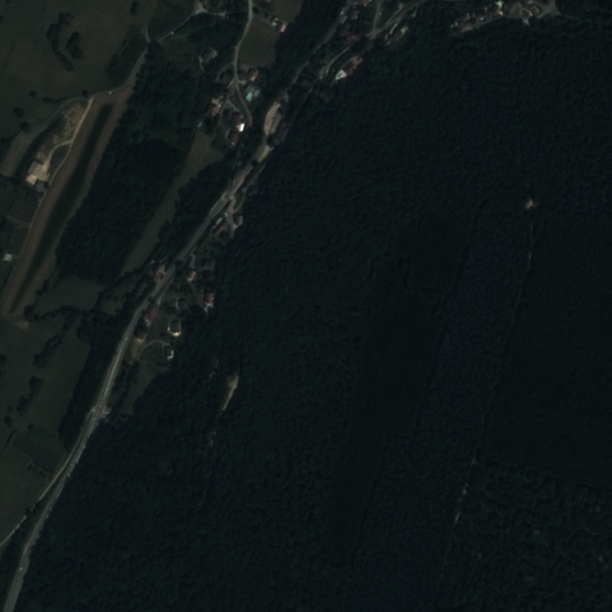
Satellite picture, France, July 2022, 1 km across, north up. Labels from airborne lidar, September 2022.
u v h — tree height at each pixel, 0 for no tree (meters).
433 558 22
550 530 26
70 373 0
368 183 15
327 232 20
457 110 18
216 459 8
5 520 0
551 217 18
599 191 17
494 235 17
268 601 19
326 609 20
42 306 0
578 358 14
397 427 7
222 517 22
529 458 17
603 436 14
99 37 0
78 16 0
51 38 10
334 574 18
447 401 24
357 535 7
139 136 12
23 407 15
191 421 15
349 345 21
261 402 17
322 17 17
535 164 18
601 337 17
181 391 19
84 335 16
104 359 10
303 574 23
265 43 0
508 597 25
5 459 0
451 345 18
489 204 23
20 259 0
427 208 17
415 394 8
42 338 0
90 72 0
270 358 17
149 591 29
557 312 14
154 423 21
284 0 0
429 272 8
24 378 0
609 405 13
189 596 27
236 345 15
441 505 17
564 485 26
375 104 13
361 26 7
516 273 21
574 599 25
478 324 18
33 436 0
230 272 19
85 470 21
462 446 22
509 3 8
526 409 15
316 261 21
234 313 15
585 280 16
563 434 11
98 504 25
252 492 19
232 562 15
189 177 0
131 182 20
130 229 15
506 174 24
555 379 15
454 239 8
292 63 19
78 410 16
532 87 16
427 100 11
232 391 0
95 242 31
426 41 20
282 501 23
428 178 21
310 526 25
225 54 15
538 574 23
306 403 21
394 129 11
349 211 23
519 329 15
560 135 20
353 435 9
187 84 19
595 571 25
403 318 8
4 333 0
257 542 18
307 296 17
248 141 19
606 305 19
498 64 25
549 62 21
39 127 0
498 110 19
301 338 14
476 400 25
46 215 0
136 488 24
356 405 9
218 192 11
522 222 20
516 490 23
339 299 19
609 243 18
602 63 18
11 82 0
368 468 6
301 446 18
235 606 27
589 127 18
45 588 18
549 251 18
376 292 19
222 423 16
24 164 0
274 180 20
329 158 19
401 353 10
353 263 18
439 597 22
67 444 14
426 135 15
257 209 17
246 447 19
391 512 16
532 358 13
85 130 0
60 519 21
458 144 19
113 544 22
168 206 0
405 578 18
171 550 26
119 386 13
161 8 0
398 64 15
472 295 20
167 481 23
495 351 24
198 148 0
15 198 0
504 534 20
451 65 21
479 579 23
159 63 10
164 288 0
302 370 15
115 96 0
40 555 15
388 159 11
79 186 0
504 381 15
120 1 0
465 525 23
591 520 25
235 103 0
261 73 9
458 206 21
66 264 21
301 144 24
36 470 6
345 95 14
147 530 22
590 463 13
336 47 13
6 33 0
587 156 22
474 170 19
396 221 22
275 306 18
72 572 22
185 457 20
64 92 0
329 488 26
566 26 9
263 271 21
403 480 16
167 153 22
